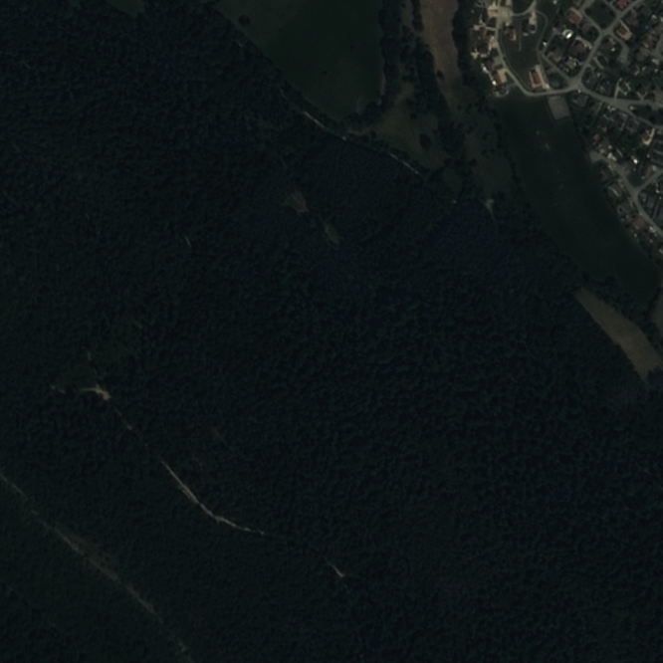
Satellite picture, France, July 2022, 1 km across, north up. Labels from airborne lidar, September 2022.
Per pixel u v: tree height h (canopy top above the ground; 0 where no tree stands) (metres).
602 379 25
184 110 32
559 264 14
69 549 14
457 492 21
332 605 24
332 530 13
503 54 0
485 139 7
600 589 26
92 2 24
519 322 36
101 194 12
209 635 20
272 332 28
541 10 0
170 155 22
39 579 23
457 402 29
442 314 29
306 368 27
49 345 16
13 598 22
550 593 16
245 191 23
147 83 26
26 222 17
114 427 26
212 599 15
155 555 17
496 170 0
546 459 32
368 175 21
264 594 7
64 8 31
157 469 21
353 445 24
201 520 15
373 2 0
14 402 19
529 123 0
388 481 22
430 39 0
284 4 0
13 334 16
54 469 16
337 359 17
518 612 16
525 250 25
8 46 25
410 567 18
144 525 17
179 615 14
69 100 31
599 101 0
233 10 0
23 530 23
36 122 28
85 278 17
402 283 26
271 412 22
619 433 33
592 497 23
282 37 0
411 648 25
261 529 13
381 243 27
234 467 19
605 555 29
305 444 22
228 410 28
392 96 24
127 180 26
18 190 19
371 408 27
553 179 0
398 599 29
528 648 18
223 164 22
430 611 17
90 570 19
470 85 17
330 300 10
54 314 16
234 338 26
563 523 20
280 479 28
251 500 19
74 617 25
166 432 21
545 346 14
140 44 21
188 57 30
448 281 24
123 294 14
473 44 0
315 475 17
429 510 11
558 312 23
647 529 27
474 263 23
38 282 19
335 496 26
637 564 20
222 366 22
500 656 20
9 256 16
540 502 18
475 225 31
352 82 0
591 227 0
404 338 19
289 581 11
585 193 0
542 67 0
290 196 0
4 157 17
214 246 32
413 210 23
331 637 17
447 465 23
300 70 0
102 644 22
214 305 25
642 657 27
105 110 29
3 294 18
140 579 11
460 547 18
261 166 11
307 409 26
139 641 18
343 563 19
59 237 14
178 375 28
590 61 0
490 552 22
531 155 0
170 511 10
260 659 18
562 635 32
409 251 29
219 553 12
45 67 31
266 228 27
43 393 16
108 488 20
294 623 17
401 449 21
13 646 25
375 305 7
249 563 10
